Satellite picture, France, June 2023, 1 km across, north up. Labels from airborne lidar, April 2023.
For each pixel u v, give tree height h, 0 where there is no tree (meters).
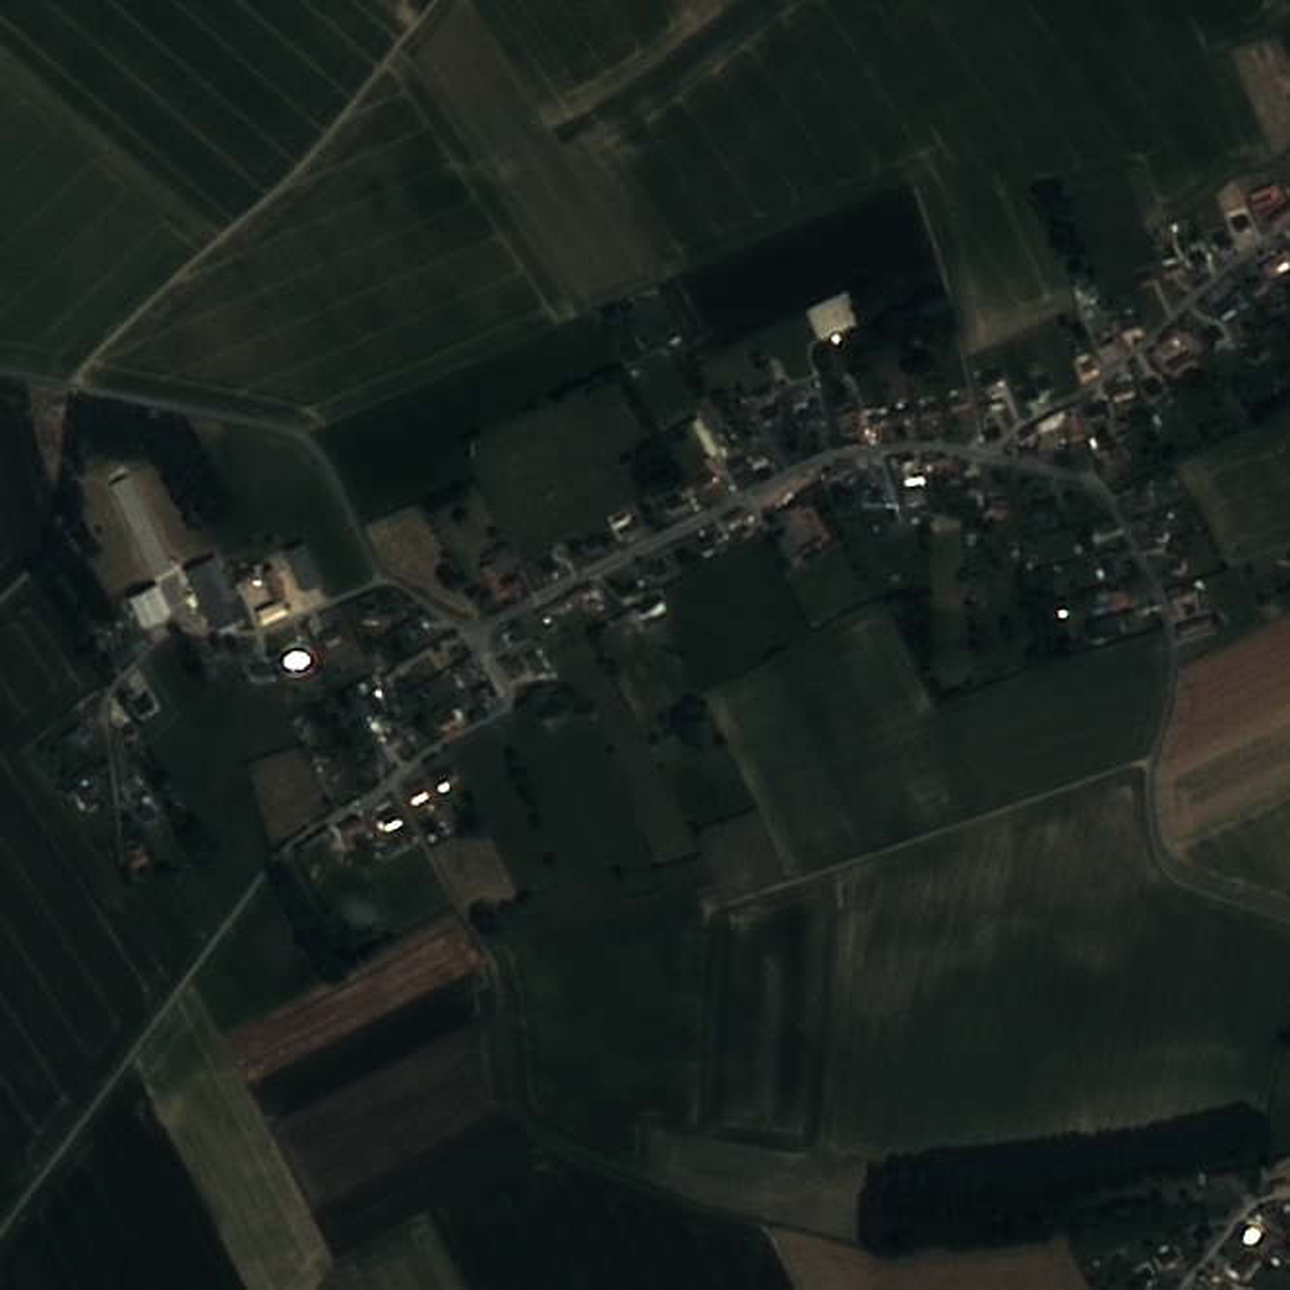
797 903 0
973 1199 32
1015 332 0
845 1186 0
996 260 0
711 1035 0
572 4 0
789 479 0
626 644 0
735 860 0
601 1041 0
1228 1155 15
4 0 0
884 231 0
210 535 0
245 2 0
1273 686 0
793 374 0
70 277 0
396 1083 0
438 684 0
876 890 0
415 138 0
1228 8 0
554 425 0
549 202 0
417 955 0
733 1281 0
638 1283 0
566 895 0
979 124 0
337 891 0
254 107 0
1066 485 0
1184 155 0
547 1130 0
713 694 0
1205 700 0
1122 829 0
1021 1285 0
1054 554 0
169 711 0
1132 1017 0
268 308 0
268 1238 0
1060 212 23
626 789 0
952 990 0
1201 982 0
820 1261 0
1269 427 0
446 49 0
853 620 0
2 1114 0
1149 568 0
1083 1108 0
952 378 0
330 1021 0
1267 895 0
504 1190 0
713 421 0
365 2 0
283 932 0
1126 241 0
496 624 0
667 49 0
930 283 0
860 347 9
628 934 0
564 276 0
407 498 0
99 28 0
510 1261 0
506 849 0
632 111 0
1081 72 0
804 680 0
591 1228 0
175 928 0
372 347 0
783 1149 0
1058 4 0
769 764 0
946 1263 0
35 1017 0
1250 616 0
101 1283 0
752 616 0
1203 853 0
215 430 0
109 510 0
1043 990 0
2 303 0
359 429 0
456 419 0
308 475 0
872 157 0
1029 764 0
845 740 0
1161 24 0
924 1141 0
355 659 0
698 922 0
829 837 0
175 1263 0
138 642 0
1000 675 0
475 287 0
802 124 0
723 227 0
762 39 0
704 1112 0
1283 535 0
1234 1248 0
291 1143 0
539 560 0
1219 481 0
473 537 0
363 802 0
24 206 0
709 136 0
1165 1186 0
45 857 0
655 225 0
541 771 0
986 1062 0
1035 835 0
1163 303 0
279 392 0
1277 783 0
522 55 0
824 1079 0
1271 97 0
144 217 0
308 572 0
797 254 0
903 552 0
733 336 0
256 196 0
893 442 0
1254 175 0
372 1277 0
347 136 0
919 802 0
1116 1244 0
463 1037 0
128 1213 0
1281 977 0
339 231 0
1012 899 0
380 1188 0
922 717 0
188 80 0
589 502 0
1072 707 0
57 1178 0
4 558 0
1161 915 0
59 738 0
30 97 0
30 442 0
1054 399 0
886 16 0
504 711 0
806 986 0
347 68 0
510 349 0
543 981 0
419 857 0
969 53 0
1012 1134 0
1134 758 0
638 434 0
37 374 0
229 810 0
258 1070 0
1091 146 0
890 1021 0
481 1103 0
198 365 0
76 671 0
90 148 0
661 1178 0
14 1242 0
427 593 0
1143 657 0
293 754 0
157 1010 0
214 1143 0
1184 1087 0
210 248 0
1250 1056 0
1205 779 0
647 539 0
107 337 0
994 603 0
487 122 0
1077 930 0
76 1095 0
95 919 0
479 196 0
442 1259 0
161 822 0
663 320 0
